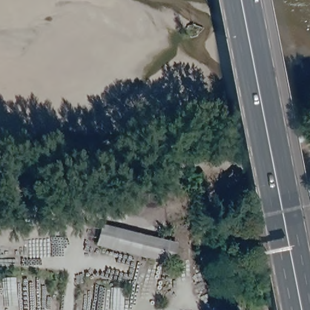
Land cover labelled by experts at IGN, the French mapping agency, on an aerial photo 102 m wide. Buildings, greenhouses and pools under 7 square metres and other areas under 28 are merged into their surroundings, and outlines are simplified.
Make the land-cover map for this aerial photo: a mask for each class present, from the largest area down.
<instances>
[{"label":"deciduous trees","instance_id":"1","mask_svg":"<svg viewBox=\"0 0 310 310\"><path fill-rule=\"evenodd\" d=\"M186 108L178 111L176 120L173 121L165 115L154 120L150 114L157 111V108L149 102L148 105H143V108L134 105L128 116L130 121L127 126V137L120 136L109 150L104 153L102 150L91 148L74 151L73 154H65V160L62 162L57 161L39 168L44 182H36L34 188L36 197L45 201V206L41 208V212L38 211V207H33L29 212L22 199L24 195H31L28 189L19 188V177L29 166L39 161L40 155H50V151L56 150L57 145L64 144L65 140L61 131L44 136L42 133L29 134L24 126L0 130V234L2 230L11 229L10 236L18 242L17 232L29 235L31 230L38 229L39 235L48 232L50 237H53L54 231H59V235L67 234L65 230L68 226H73L75 236L82 229V225H88V229L102 230L103 226L107 225L108 219L105 216L110 213L119 218L136 216L138 212H144L147 205L161 206L163 201H167L168 193L189 197L184 224L193 226L189 231L191 246L196 245L193 256H199L201 245L222 249L218 260L209 263L205 272L201 274L203 281L208 280L209 293L212 297L228 300L231 304L237 303L239 310H264L270 306L272 270L268 266L270 254H266L264 246H260L256 240L266 234V230L262 196L257 195L256 189L243 190L239 216L228 217L220 224H214L213 214L209 211L212 202L209 197L208 191L203 189L202 183L206 176L201 170V162H209L213 166H218L224 161H229L231 166H239L241 163L242 173H246L247 168L251 167L241 119L236 115H228L219 99L216 102H201L191 97ZM298 136L304 137L306 142L310 143V107L309 114L303 116V121L298 122ZM155 229L159 231V236L157 237H160V239L171 241H174V230L172 229L171 223L167 222L166 225H163L160 222H157L155 226ZM161 274L176 281L185 269L184 263L177 254H168L165 262L160 265ZM31 275L46 283L47 293L51 295L48 310H63L68 272L29 268Z\"/></svg>","mask_w":310,"mask_h":310},{"label":"bare soil","instance_id":"2","mask_svg":"<svg viewBox=\"0 0 310 310\"><path fill-rule=\"evenodd\" d=\"M176 30V23L170 8L163 7L159 11L134 0H0V130L24 126L29 134L42 133L44 136L61 131L65 140H69L68 149L74 151L91 148L102 150L104 153L109 150L120 136L127 137V126L130 121L128 116L134 105L143 108V105H148L149 102L157 108V111L150 114L154 120L165 115L173 121L176 120L178 111L186 108L191 97L201 102H216L219 99L228 115H236L241 119L224 28L214 31L206 40L209 56L214 61H219L220 70L216 75L209 73L207 65L189 57L178 47L176 57L151 75L150 80L153 82L147 85L142 81L144 68L154 61L156 54L170 46L168 36Z\"/></svg>","mask_w":310,"mask_h":310},{"label":"impervious surface","instance_id":"3","mask_svg":"<svg viewBox=\"0 0 310 310\"><path fill-rule=\"evenodd\" d=\"M224 28L241 119L251 167L256 189L257 195L262 196L266 230V234L256 240L260 246H264L266 254H270L268 266L272 270L270 306L264 310H310V143L306 142L304 137L298 136V124L295 122V115L298 110L294 109L274 0H218Z\"/></svg>","mask_w":310,"mask_h":310},{"label":"pervious surface","instance_id":"4","mask_svg":"<svg viewBox=\"0 0 310 310\"><path fill-rule=\"evenodd\" d=\"M108 219L107 225L157 237L159 236V231L155 229V226L147 219L136 216L119 218L110 213L105 216ZM88 225H82V229L75 236L73 226H68L65 230L67 234L59 235V231H54L53 237H50L48 232L39 235L38 229L31 230L29 235L17 232L18 242L10 236L11 229L2 230L0 234V310H48L51 295L47 293L46 283L31 275L29 268L68 272L63 310H73L75 272L88 268L104 270L105 266L122 271L128 269L126 264L115 262L116 254L113 253H108L107 256H97L94 253L85 256L84 240L88 236ZM193 262L185 260L184 263L185 269L176 281V295L168 302L163 295L155 294L156 281L161 274L160 265L157 264L149 266L143 262L142 265H138L133 285L128 280H111L114 288L105 289L104 285L93 282L90 310H239L237 303L231 304L228 300L212 297H208L207 303L197 302L190 280V264Z\"/></svg>","mask_w":310,"mask_h":310},{"label":"herbaceous vegetation","instance_id":"5","mask_svg":"<svg viewBox=\"0 0 310 310\"><path fill-rule=\"evenodd\" d=\"M69 140H65L64 144L57 145L56 150L50 151V155H40L39 161L29 166L19 177V188L28 189L31 195H24L22 199L29 212L33 207H38V211L41 212V208L45 206V201L36 197L34 188L36 182H44L39 168L57 161L62 162L65 160V154H73L74 151L68 149ZM201 170L206 176L202 183L203 189L208 191L209 197L216 193L222 201L231 200L237 191L243 190L256 189L251 167L247 168L246 173H242L241 163L239 166H231L229 161H224L218 166H213L209 162H201ZM189 197L168 193L167 201H163L161 206L147 205L144 212H138L136 216L147 219L155 226L157 222H160L163 225H166L167 222L171 223L172 229L174 230V239L179 242L174 254H177L184 263L185 260L193 262L190 264V280L197 302L207 303L208 297H212L209 293L208 280L203 281L201 274L205 272L209 263L218 260L222 249L201 245L199 256H193L196 245L191 246L189 231L193 226L184 224ZM102 230L88 229V236L84 240L85 256L94 253L97 256H107L108 253H113L116 254L115 262L126 264L128 269L122 271L105 266L104 270L88 268L75 272L73 310H90L93 282L104 285L105 289L114 288L111 280H128L133 285L138 265H142L143 262L149 266L157 264V259L134 256L117 249L99 246L97 242ZM176 281L161 274L156 281L155 294L163 295L168 302L176 295Z\"/></svg>","mask_w":310,"mask_h":310},{"label":"water","instance_id":"6","mask_svg":"<svg viewBox=\"0 0 310 310\"><path fill-rule=\"evenodd\" d=\"M159 11L163 7L170 8L176 23V30L168 36L170 46L156 54L154 61L144 68L142 81L147 85L153 82L150 80L151 75L176 57L178 47L189 57L207 65L209 73L216 75L220 70L219 61H214L209 56L206 40L214 31L224 28L218 0H134ZM294 109L298 110L295 115V122L298 124V122L303 121V116L309 114L310 107V0H274Z\"/></svg>","mask_w":310,"mask_h":310},{"label":"building","instance_id":"7","mask_svg":"<svg viewBox=\"0 0 310 310\"><path fill-rule=\"evenodd\" d=\"M99 246L117 249L134 256L157 259V264L160 265L165 262L168 254H174L179 242L174 239V241H171L160 239V237H157L107 225L103 226L102 230L97 242Z\"/></svg>","mask_w":310,"mask_h":310},{"label":"coniferous trees","instance_id":"8","mask_svg":"<svg viewBox=\"0 0 310 310\"><path fill-rule=\"evenodd\" d=\"M243 190L237 191L231 200L222 201L216 193L209 197L212 202L209 211L213 214L214 224H220L228 217L239 216Z\"/></svg>","mask_w":310,"mask_h":310}]
</instances>
